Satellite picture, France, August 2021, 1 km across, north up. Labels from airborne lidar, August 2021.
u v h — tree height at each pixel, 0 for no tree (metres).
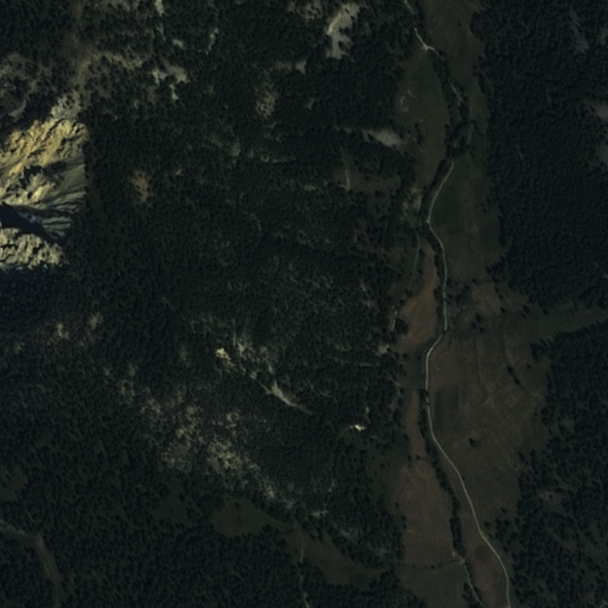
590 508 18
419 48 0
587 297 17
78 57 0
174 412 10
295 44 14
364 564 21
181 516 0
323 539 9
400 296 0
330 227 13
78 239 12
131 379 11
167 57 11
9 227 0
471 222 0
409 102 0
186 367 9
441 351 0
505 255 0
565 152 19
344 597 15
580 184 23
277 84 9
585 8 20
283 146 11
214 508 18
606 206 16
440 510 0
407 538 0
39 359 14
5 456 24
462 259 0
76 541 24
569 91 23
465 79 0
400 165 22
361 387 16
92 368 9
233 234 8
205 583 23
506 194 17
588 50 0
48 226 0
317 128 18
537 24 15
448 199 0
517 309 0
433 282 0
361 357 15
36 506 19
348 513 15
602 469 14
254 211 14
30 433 21
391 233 16
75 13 0
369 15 15
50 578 0
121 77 10
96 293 16
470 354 0
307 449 17
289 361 10
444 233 0
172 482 8
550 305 20
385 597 7
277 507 13
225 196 13
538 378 0
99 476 26
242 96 15
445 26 0
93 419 11
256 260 14
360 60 16
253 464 7
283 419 13
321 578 21
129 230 11
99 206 0
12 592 20
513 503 0
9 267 0
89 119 15
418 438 0
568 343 25
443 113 0
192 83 9
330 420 17
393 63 19
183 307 12
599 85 18
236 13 18
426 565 0
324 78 21
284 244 19
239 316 11
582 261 22
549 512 0
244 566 17
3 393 13
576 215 24
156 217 15
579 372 14
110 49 10
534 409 0
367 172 11
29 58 12
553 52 15
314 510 7
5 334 7
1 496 16
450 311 0
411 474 0
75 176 0
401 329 16
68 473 24
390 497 0
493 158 11
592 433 19
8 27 15
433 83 0
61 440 20
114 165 16
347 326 10
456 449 0
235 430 6
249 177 11
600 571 15
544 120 18
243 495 19
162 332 13
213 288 8
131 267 16
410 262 0
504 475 0
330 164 18
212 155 16
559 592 11
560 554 11
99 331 14
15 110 0
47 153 0
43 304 12
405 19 10
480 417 0
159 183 7
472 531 0
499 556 0
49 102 17
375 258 17
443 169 12
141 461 24
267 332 18
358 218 8
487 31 14
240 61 17
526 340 0
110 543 7
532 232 18
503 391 0
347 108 21
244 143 9
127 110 15
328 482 12
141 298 14
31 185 0
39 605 19
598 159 10
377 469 0
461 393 0
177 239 8
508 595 0
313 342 14
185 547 23
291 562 15
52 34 12
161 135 15
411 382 0
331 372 17
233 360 11
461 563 0
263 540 18
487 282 0
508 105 23
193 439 10
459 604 0
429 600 0
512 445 0
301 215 14
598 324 0
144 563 14
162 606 22
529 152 15
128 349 16
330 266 14
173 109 17
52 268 15
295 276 9
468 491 0
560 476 11
